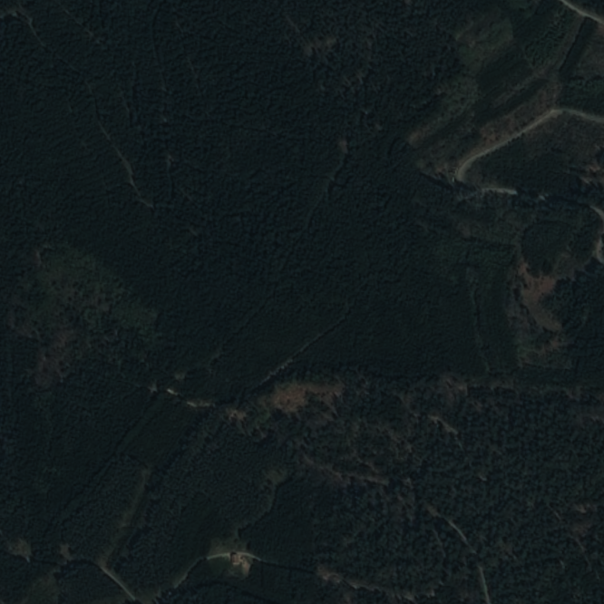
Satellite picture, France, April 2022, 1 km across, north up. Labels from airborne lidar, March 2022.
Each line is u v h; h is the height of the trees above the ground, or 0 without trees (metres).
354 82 27
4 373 21
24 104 19
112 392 14
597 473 23
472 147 12
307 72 21
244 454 29
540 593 16
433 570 33
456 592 16
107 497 27
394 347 15
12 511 25
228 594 19
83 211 20
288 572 20
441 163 14
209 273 13
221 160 17
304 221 24
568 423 28
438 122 14
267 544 18
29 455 20
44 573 27
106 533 29
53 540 27
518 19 17
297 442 28
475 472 28
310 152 17
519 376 10
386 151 23
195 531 19
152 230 11
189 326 18
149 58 14
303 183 20
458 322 16
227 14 26
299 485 16
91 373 10
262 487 29
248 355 13
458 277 10
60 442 20
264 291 17
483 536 30
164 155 24
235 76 19
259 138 16
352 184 21
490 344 18
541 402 14
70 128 17
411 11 28
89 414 17
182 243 12
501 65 7
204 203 13
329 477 18
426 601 21
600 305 21
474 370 18
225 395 9
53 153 18
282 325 11
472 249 11
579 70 8
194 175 21
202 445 27
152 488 6
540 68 8
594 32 10
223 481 28
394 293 16
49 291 14
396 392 31
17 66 24
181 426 8
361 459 14
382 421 27
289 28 24
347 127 23
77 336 10
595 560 35
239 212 24
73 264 14
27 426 20
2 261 24
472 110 6
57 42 17
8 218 20
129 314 14
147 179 22
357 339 15
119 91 16
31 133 16
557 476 22
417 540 34
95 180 21
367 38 25
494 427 27
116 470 25
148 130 24
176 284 17
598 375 17
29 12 17
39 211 18
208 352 16
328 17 25
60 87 18
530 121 6
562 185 7
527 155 9
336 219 18
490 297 11
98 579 32
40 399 16
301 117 21
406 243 23
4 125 21
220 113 19
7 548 21
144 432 9
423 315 20
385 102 28
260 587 7
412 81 22
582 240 22
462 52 25
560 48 11
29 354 20
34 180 20
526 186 11
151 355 15
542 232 12
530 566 22
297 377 32
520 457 18
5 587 19
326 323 11
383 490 10
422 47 27
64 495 13
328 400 0
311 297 19
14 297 18
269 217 15
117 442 16
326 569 24
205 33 22
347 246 17
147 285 19
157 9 14
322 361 12
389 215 21
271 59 18
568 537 29
